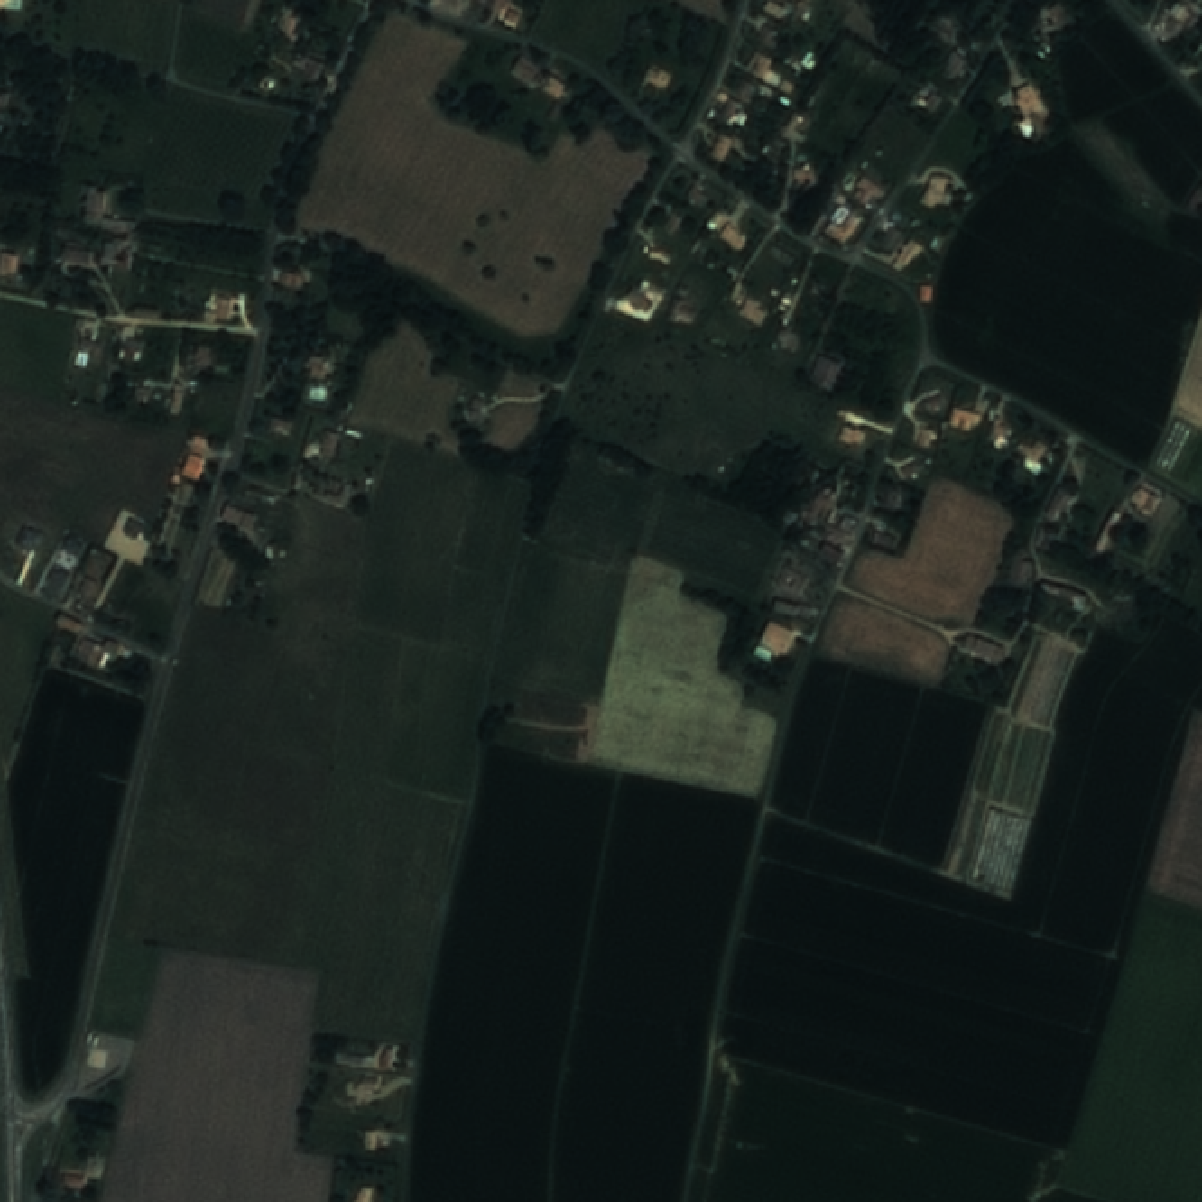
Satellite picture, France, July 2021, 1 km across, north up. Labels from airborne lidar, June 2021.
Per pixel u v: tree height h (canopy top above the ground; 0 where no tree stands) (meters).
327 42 6
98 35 0
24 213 6
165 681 0
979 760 0
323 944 0
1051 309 0
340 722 0
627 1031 0
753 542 0
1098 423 0
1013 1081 0
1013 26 12
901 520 8
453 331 11
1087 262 0
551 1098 0
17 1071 0
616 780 0
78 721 0
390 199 0
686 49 13
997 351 0
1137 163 0
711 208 8
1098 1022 0
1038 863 0
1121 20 0
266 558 6
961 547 0
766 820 0
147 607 0
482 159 0
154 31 0
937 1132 0
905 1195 0
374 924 0
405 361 0
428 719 0
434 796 0
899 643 0
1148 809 0
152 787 0
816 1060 0
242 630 0
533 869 0
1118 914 0
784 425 0
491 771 0
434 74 0
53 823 0
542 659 0
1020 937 0
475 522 0
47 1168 7
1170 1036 0
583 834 0
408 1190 0
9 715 0
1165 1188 0
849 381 7
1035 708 0
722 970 0
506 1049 0
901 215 0
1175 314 0
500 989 0
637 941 0
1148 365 0
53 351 0
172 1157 0
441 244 0
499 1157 0
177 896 0
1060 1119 0
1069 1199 0
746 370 0
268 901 0
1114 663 0
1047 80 7
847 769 0
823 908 0
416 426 0
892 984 0
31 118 7
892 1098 0
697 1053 0
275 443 0
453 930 0
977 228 0
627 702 0
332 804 0
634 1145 0
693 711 0
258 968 0
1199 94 0
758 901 0
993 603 11
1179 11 0
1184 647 0
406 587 0
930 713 0
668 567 0
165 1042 0
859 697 0
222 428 0
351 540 0
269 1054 0
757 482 7
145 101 0
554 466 20
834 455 0
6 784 0
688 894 0
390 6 6
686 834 0
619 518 0
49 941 0
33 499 0
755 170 12
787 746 0
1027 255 0
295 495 6
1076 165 0
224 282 0
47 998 0
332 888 0
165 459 0
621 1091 0
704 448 0
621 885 0
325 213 0
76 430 0
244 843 0
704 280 0
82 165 0
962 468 0
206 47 0
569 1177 0
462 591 0
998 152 13
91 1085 0
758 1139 0
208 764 0
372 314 14
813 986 0
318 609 0
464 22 0
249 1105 0
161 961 0
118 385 8
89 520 0
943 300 0
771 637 0
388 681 0
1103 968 0
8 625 0
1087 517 12
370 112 0
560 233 0
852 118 0
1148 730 0
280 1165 0
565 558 0
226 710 0
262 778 0
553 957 0
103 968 0
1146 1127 0
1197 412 0
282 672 0
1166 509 0
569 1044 0
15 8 0
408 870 0
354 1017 0
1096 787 0
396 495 0
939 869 0
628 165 0
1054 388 0
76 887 0
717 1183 0
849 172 0
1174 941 0
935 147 0
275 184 8
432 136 0
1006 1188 0
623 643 0
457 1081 0
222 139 0
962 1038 0
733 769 0
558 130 0
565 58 0
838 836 0
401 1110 0
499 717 12
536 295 0
